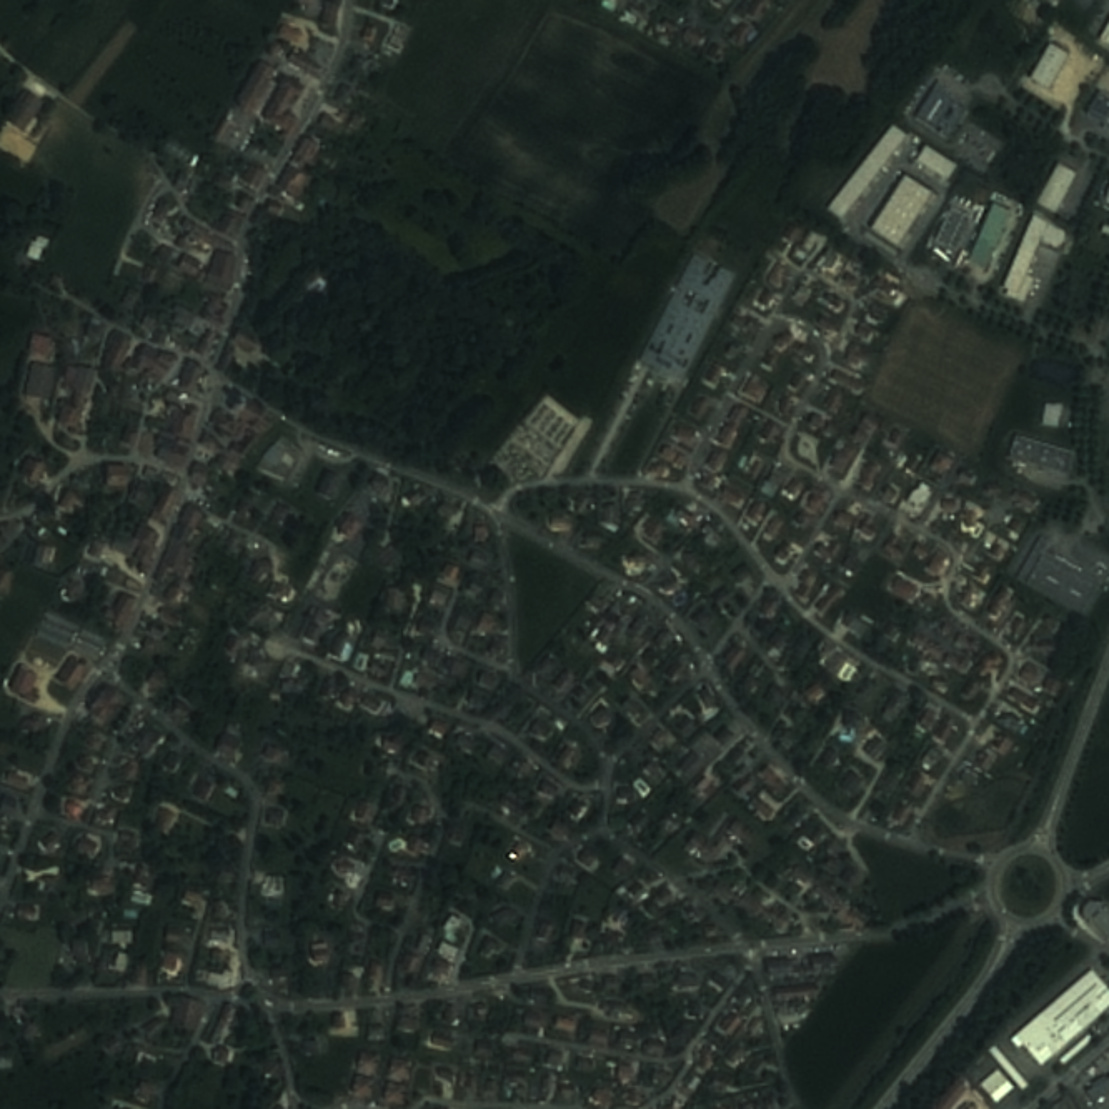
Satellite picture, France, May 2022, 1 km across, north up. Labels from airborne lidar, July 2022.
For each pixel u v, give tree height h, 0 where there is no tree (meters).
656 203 0
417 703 0
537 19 0
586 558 0
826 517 0
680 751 0
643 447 0
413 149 13
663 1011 9
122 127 9
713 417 0
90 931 10
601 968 0
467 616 0
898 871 0
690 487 0
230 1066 12
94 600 11
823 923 7
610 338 0
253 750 0
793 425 0
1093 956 0
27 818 0
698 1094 8
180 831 6
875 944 0
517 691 14
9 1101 0
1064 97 0
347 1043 0
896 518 0
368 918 8
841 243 11
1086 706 0
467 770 6
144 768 6
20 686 0
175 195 0
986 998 12
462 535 8
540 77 0
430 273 25
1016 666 0
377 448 29
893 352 0
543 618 0
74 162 0
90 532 14
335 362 32
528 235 25
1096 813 0
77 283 0
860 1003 0
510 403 0
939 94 0
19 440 7
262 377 13
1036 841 0
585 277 21
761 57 0
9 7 0
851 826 0
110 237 0
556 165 0
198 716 8
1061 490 0
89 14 0
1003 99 9
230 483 6
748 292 0
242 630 8
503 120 0
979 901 0
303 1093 13
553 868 0
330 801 0
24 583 0
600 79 0
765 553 0
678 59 0
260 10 0
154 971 6
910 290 0
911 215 0
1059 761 0
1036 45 7
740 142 12
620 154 0
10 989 0
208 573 6
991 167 7
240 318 6
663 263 0
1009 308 11
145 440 0
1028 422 0
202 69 0
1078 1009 0
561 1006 0
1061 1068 7
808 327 0
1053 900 0
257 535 0
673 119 0
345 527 0
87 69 0
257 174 0
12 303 0
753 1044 10
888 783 0
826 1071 0
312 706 6
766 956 0
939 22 20
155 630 0
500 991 0
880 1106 0
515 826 0
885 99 17
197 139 0
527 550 0
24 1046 13
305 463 0
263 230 6
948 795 0
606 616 7
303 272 10
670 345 0
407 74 0
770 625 11
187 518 0
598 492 6
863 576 0
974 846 9
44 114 9
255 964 10
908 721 6
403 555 18
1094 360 13
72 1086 0
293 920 8
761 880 10
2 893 0
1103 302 11
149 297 14
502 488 14
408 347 29
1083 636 22
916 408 0
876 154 0
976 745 0
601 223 0
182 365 0
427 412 22
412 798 8
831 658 0
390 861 9
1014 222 0
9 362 0
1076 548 0
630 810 6
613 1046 6
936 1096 16
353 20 0
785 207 7
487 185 7
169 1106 10
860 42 0
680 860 0
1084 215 13
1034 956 13
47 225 13
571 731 7
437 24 0
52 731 6
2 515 0
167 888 14
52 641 0
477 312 27
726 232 0
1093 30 0
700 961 0
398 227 0
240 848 8
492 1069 7
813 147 22
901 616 7
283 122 0
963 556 0
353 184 6
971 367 0
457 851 0
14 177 0
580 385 0
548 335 0
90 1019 7
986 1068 0
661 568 0
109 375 6
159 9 0
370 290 33
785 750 6
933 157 0
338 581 0
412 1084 0
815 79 0
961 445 0
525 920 7
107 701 0
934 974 0
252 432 0
